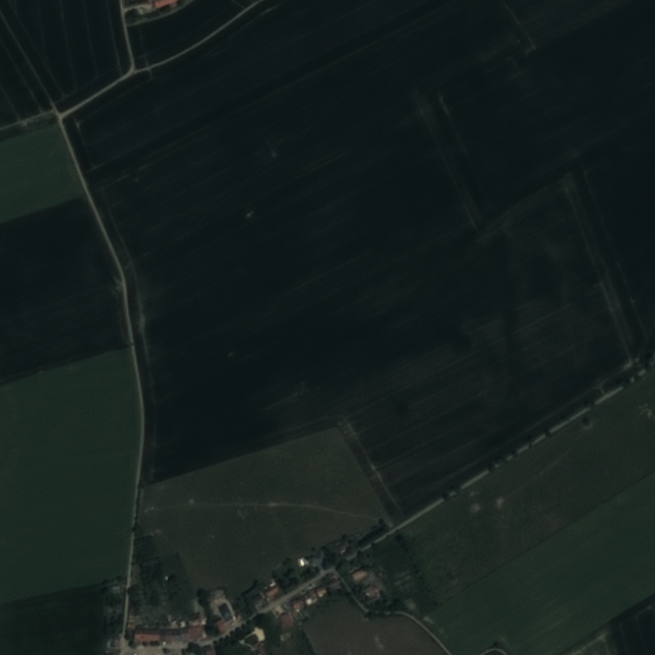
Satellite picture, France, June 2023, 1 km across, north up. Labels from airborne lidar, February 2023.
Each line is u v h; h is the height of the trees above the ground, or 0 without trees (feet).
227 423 0
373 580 0
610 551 0
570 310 0
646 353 0
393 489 0
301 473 0
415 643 0
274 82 0
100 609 0
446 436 0
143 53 0
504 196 0
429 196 0
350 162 0
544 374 0
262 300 0
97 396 0
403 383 0
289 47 0
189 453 0
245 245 0
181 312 0
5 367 0
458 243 0
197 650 52
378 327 0
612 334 0
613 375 0
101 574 0
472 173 0
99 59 0
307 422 0
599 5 0
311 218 0
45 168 0
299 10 0
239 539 0
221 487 0
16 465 0
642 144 0
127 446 0
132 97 0
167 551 0
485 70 0
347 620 0
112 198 0
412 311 0
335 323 0
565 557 0
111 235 0
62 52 0
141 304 0
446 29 0
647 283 0
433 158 0
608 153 0
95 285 0
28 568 0
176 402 0
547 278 0
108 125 0
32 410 0
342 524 0
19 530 0
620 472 0
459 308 0
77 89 0
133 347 0
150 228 0
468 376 0
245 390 0
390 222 0
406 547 28
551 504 0
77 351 0
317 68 0
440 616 0
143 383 0
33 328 0
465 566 0
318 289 0
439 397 0
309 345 0
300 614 0
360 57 0
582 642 0
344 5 0
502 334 0
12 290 0
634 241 0
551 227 0
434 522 0
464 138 0
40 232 0
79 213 0
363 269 0
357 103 0
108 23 0
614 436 0
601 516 0
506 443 0
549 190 0
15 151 0
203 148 0
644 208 0
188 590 0
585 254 0
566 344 0
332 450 0
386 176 0
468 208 0
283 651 0
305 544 0
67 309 0
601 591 0
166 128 0
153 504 0
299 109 0
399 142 0
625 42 0
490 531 0
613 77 0
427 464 0
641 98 0
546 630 0
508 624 0
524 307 0
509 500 0
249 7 0
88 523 0
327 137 0
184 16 0
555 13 0
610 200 0
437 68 0
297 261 0
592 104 0
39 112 0
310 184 0
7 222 0
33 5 0
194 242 0
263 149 0
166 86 0
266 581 0
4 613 0
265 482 0
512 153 0
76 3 0
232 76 0
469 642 0
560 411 0
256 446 0
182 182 0
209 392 0
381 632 0
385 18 0
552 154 0
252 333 0
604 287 0
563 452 0
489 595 0
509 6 0
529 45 0
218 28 0
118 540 0
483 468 0
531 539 0
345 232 0
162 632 0
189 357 0
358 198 0
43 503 0
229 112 0
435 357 0
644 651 0
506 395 0
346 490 0
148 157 0
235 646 31
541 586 0
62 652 0
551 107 0
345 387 0
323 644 0
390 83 0
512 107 0
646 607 0
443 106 0
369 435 0
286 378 0
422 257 0
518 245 0
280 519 0
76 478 0
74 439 0
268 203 0
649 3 0
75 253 0
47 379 0
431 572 0
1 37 0
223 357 0
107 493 0
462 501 0
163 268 0
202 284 0
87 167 0
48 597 0
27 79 0
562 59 0
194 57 0
